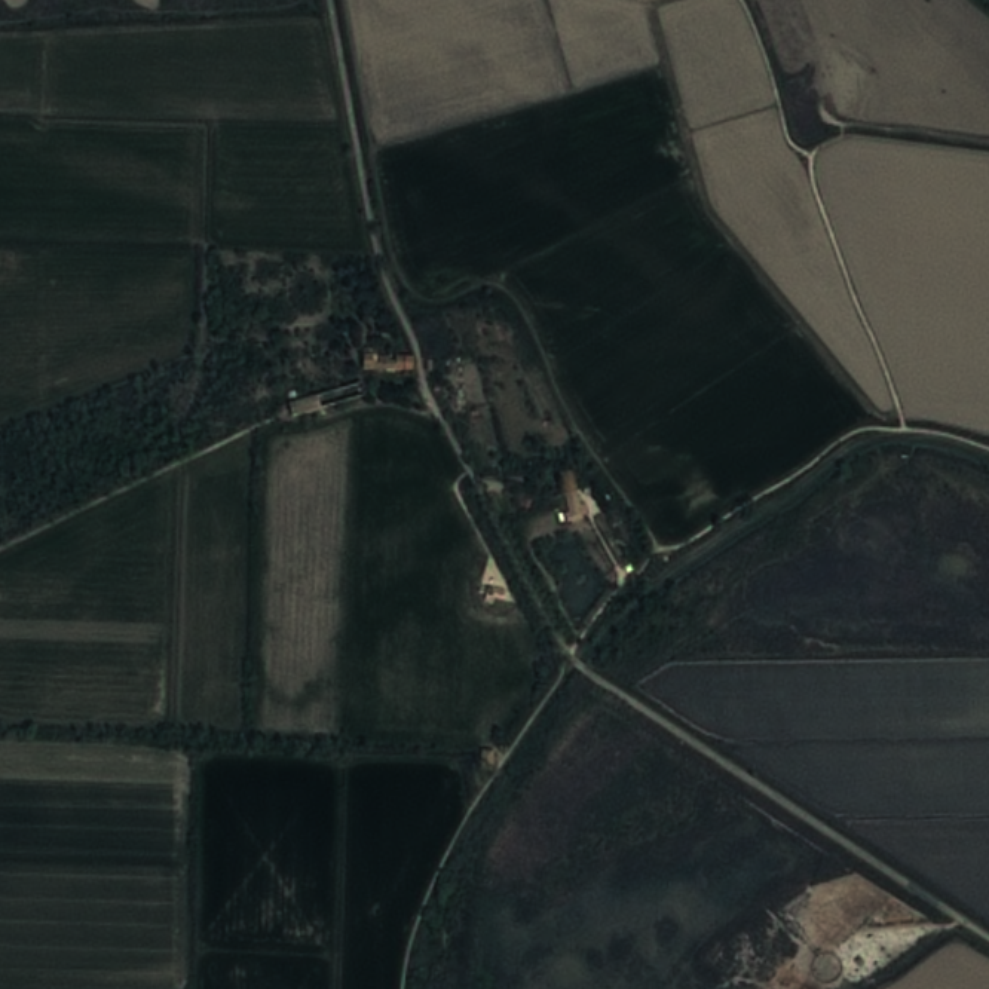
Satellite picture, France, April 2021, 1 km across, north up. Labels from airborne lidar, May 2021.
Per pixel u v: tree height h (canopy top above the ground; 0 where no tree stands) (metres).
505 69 0
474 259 0
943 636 0
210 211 0
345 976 0
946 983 0
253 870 0
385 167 0
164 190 0
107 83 0
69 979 0
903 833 0
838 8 0
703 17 0
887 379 0
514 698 0
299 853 0
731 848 0
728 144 0
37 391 0
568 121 0
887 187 0
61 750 0
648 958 0
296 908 0
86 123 0
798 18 0
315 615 0
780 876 0
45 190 0
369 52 0
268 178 0
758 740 0
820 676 0
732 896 0
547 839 0
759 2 0
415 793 0
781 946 0
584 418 0
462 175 0
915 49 0
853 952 0
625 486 0
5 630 0
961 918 0
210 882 0
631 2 0
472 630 0
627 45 0
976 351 0
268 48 0
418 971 6
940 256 0
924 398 0
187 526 0
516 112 0
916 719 0
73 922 0
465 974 0
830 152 0
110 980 0
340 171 0
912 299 0
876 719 0
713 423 0
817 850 0
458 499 0
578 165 0
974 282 0
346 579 0
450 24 0
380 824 0
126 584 0
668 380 0
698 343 0
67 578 0
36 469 12
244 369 11
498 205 0
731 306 0
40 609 0
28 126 0
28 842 0
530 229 0
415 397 7
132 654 0
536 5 0
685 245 0
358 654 0
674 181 0
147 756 0
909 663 0
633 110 0
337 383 9
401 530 0
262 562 0
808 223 0
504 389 6
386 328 12
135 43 0
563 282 0
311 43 0
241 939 0
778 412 0
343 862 0
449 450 0
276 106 0
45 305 0
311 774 0
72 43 0
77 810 0
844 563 0
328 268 0
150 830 0
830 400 0
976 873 0
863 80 0
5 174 0
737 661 0
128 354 0
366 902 0
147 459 14
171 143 0
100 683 0
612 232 0
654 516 0
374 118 0
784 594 0
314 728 0
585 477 5
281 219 0
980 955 0
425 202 0
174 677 0
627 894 0
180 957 0
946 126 0
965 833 0
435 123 0
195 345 15
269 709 0
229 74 0
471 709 0
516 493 15
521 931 0
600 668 6
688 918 0
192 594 0
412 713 0
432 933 8
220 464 0
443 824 0
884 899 0
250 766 0
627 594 6
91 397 7
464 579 0
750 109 0
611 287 0
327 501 0
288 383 12
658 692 0
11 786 0
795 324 0
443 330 6
